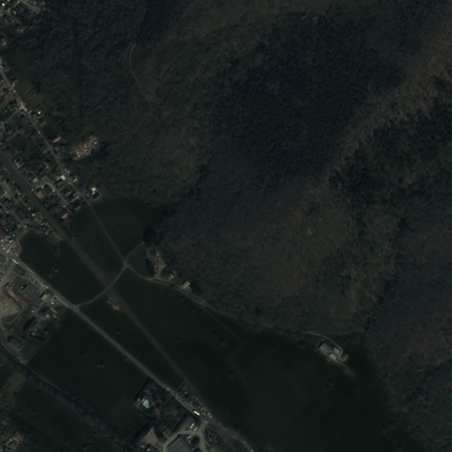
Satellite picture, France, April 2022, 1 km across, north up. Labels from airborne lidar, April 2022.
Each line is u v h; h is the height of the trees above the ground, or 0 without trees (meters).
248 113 18
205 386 0
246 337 0
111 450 0
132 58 0
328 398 0
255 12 13
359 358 0
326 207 16
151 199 13
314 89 23
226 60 18
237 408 0
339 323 23
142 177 15
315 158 16
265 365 0
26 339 7
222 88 16
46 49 12
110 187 14
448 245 8
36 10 0
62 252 0
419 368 14
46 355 0
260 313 29
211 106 13
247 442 0
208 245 13
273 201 14
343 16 26
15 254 0
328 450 0
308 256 18
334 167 15
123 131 15
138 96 8
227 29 7
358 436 0
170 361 0
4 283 0
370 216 23
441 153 17
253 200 14
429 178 27
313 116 18
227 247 12
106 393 0
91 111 16
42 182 0
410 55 15
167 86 8
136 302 0
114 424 0
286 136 16
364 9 17
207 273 16
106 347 0
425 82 18
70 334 0
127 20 17
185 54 9
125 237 0
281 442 0
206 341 0
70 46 11
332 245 19
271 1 7
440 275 13
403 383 6
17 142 0
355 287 24
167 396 12
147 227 0
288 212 9
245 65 8
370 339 13
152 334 0
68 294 0
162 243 9
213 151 18
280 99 21
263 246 17
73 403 21
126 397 0
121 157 14
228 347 0
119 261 0
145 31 16
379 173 26
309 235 16
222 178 16
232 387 0
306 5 20
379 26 23
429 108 23
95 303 0
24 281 0
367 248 22
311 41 20
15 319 0
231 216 17
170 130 9
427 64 14
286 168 22
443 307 18
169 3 19
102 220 0
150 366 0
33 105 0
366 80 22
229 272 19
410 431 7
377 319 16
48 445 0
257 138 20
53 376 0
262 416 0
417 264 17
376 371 18
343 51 17
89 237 0
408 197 14
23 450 0
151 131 10
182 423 6
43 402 0
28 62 0
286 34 19
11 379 0
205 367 0
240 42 16
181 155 8
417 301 16
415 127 24
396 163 16
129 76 7
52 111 13
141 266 0
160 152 13
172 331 0
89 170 12
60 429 0
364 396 0
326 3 18
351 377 0
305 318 19
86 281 0
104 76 17
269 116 21
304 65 22
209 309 0
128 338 0
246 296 17
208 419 0
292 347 0
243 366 0
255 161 21
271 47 23
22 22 0
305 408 0
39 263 0
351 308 24
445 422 15
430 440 15
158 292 0
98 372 0
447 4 17
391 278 22
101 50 14
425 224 15
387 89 20
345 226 17
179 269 11
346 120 19
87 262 0
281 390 0
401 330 17
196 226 11
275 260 12
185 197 17
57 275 0
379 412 0
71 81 15
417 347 13
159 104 8
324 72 22
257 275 16
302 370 0
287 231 17
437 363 20
